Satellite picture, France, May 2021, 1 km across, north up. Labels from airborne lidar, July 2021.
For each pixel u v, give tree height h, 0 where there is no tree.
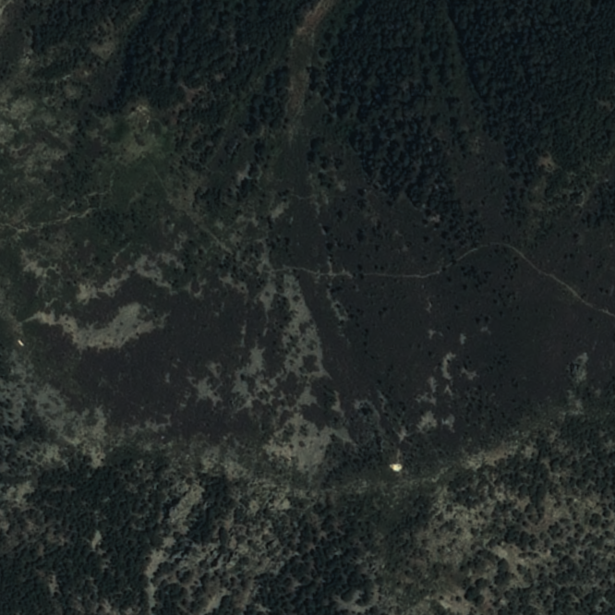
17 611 16
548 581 19
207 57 21
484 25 23
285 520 11
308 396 0
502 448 0
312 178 0
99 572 22
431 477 0
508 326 0
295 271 8
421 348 7
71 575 16
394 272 7
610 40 22
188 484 7
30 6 10
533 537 16
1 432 9
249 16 25
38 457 0
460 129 21
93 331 0
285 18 21
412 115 23
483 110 14
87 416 0
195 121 14
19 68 0
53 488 8
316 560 15
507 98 30
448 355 0
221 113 20
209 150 13
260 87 13
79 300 0
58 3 9
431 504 9
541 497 20
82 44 13
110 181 0
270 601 17
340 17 9
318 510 13
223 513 11
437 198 16
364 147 26
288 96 10
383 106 36
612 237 8
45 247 0
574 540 15
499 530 12
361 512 8
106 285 0
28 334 0
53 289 0
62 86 6
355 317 13
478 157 7
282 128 7
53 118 0
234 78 26
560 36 18
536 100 19
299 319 0
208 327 10
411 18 29
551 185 10
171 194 0
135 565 21
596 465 10
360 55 25
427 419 0
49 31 16
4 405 9
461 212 13
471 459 0
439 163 17
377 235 9
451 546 7
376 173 24
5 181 0
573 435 8
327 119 7
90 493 13
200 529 14
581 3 18
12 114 0
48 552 15
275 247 14
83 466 13
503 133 8
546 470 13
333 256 9
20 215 0
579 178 9
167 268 0
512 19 36
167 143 0
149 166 0
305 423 0
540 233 7
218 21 12
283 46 26
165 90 14
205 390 0
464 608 0
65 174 8
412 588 10
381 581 8
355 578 15
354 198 8
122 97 21
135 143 0
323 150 15
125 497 13
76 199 7
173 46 27
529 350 0
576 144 13
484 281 8
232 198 11
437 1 32
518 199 14
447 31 29
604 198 13
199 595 21
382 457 7
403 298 7
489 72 18
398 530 13
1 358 7
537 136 14
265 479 0
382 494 0
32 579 14
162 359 8
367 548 8
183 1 22
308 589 21
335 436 7
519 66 27
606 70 16
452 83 26
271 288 0
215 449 0
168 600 21
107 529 18
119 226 7
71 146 0
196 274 9
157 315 7
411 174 23
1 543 16
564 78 23
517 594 13
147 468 10
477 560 13
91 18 25
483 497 12
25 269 0
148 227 8
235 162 8
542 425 0
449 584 0
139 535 20
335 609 12
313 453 0
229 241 0
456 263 13
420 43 26
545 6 32
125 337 0
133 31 6
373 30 24
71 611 21
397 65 29
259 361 0
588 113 18
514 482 12
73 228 0
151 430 0
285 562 11
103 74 6
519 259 10
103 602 7
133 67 26
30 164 0
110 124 0
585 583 9
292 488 0
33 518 16
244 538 14
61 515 20
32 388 0
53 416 0
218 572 17
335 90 23
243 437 0
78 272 0
